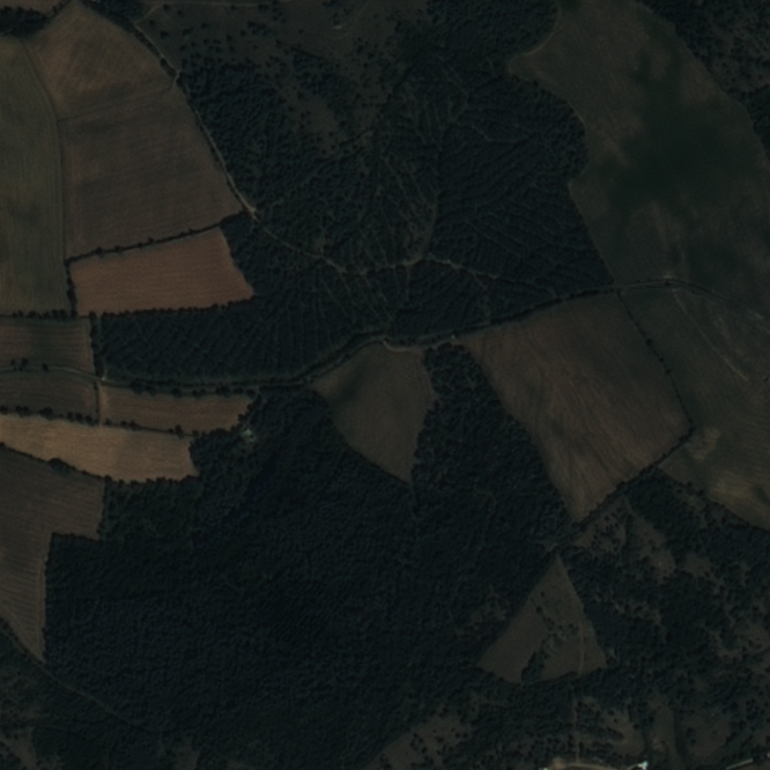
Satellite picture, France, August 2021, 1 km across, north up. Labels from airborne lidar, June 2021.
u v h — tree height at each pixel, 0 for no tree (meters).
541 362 0
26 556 0
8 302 0
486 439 10
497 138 9
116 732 12
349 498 15
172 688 15
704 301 0
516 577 10
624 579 13
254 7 0
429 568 10
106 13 14
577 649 0
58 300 0
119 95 0
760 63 6
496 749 9
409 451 0
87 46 0
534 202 12
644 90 0
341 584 12
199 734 9
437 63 10
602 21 0
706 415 0
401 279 11
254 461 9
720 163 0
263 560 8
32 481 0
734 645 10
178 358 12
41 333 0
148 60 0
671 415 0
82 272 0
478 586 11
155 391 12
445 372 10
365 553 13
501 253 12
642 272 0
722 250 0
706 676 8
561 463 0
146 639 19
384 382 0
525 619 0
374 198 11
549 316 0
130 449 0
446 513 9
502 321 11
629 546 9
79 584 13
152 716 17
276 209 8
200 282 0
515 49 12
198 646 18
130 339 11
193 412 0
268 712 13
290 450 20
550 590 0
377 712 9
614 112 0
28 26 16
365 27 0
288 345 13
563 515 10
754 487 0
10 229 0
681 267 0
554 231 13
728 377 0
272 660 12
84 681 15
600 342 0
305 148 7
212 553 33
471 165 11
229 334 10
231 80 14
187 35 10
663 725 0
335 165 11
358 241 10
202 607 13
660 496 15
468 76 12
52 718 7
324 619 13
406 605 10
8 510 0
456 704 8
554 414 0
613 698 14
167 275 0
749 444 0
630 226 0
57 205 0
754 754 10
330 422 13
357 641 9
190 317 12
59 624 14
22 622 0
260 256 12
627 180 0
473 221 10
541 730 11
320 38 0
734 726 9
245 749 8
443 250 11
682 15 9
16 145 0
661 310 0
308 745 9
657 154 0
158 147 0
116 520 9
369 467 12
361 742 6
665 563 0
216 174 0
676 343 0
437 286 9
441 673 12
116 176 0
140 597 16
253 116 11
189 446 0
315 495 14
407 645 11
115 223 0
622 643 13
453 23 11
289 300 12
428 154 11
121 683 14
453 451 9
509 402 0
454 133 10
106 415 0
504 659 0
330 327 11
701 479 0
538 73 0
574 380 0
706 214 0
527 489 10
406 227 10
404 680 12
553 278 13
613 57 0
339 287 9
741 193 0
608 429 0
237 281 0
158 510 8
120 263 0
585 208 0
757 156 0
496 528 9
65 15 0
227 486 18
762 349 0
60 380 0
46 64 0
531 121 11
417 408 0
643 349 0
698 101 0
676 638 14
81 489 0
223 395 10
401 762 0
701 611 11
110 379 0
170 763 7
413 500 14
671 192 0
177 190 0
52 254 0
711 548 11
